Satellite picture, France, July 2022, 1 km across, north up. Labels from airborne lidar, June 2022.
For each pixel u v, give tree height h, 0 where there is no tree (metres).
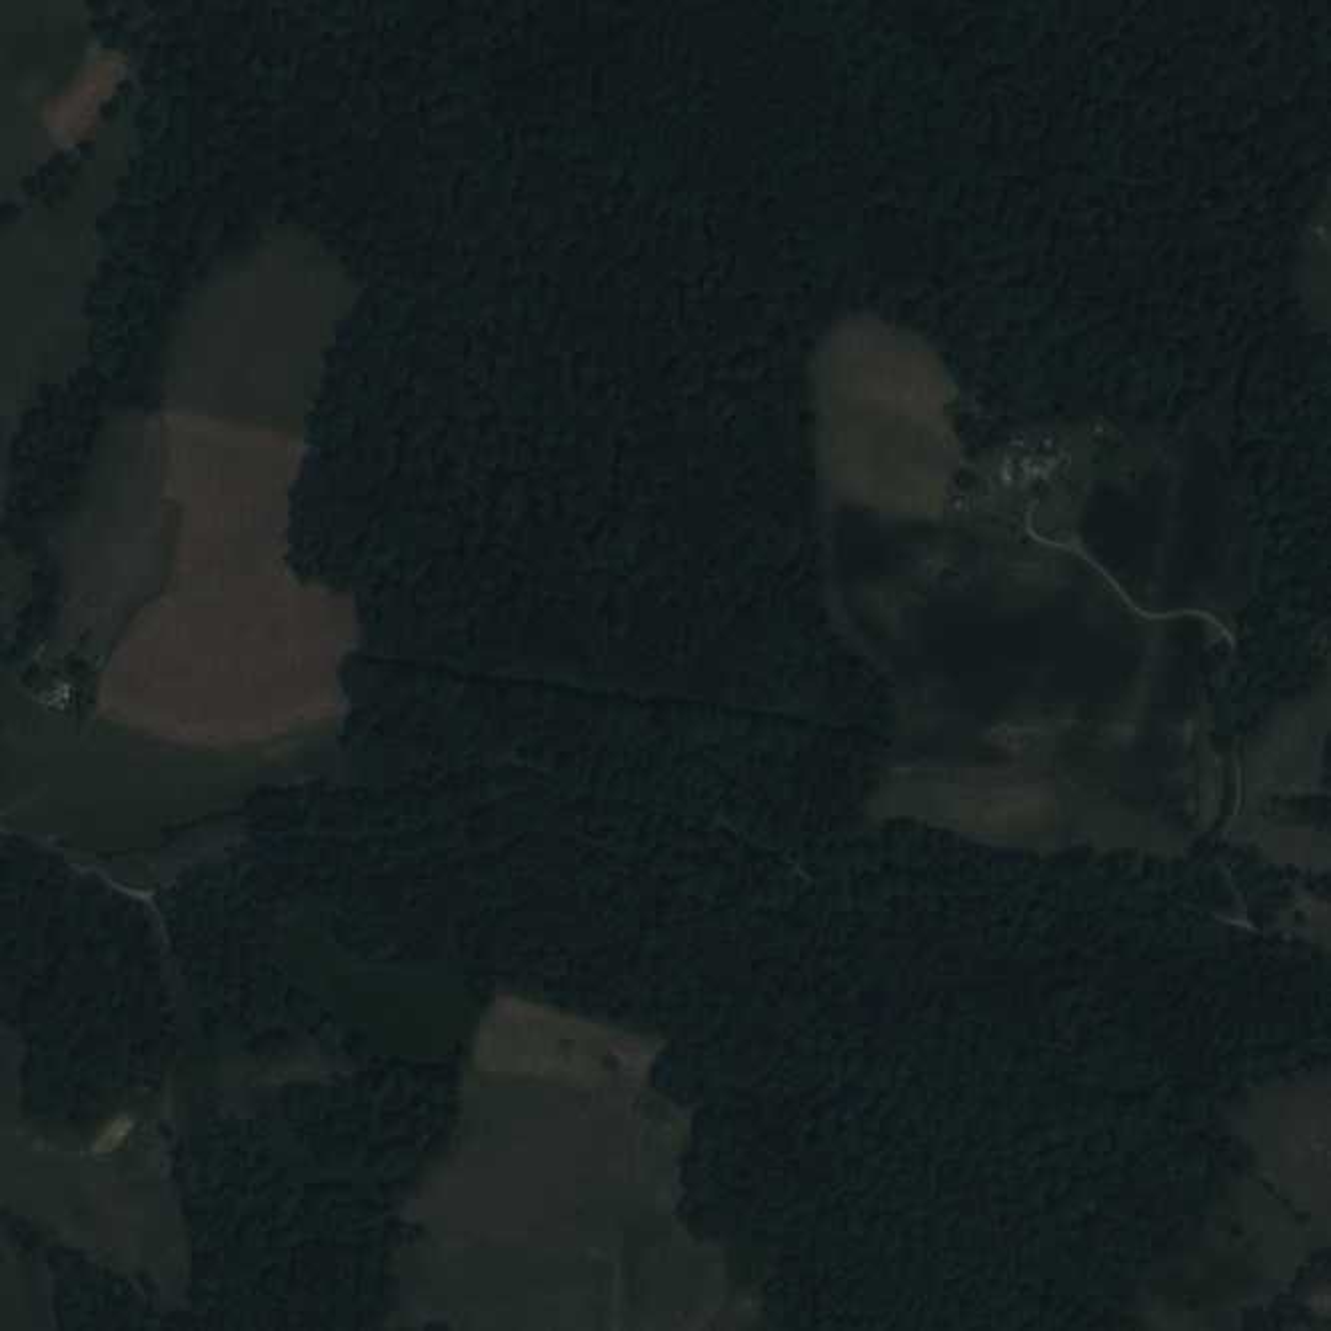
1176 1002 19
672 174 24
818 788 16
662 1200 0
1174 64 30
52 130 0
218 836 0
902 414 0
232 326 0
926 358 0
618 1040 0
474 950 15
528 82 27
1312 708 0
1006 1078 17
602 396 33
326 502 32
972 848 14
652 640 30
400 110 30
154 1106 0
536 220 35
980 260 17
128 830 0
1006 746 0
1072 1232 16
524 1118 0
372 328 30
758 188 24
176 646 0
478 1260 0
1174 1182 29
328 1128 7
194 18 34
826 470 0
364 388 35
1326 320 0
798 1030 29
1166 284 29
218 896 23
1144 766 0
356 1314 23
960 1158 14
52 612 14
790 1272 11
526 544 30
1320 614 10
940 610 0
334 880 29
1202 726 0
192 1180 26
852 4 25
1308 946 16
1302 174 31
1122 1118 28
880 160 23
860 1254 27
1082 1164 25
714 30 25
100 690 0
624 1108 0
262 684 0
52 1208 0
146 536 0
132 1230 0
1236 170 36
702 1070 29
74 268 0
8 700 0
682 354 30
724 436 28
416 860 28
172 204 32
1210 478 0
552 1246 0
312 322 0
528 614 29
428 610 34
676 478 30
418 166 33
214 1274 24
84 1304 19
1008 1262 32
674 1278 0
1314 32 25
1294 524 21
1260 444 14
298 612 0
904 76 24
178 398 0
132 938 7
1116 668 0
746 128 22
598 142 30
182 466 0
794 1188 26
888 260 24
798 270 35
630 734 31
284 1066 0
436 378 42
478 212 36
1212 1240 0
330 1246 28
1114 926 27
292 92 31
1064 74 27
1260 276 35
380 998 0
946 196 21
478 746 22
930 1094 25
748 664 21
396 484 35
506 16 12
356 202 23
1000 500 0
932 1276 31
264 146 30
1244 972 9
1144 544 0
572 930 25
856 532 0
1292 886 17
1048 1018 7
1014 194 27
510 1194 0
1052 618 0
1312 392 31
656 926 21
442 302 39
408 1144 28
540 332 30
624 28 13
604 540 34
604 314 34
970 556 0
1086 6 30
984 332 27
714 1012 23
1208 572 0
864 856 28
